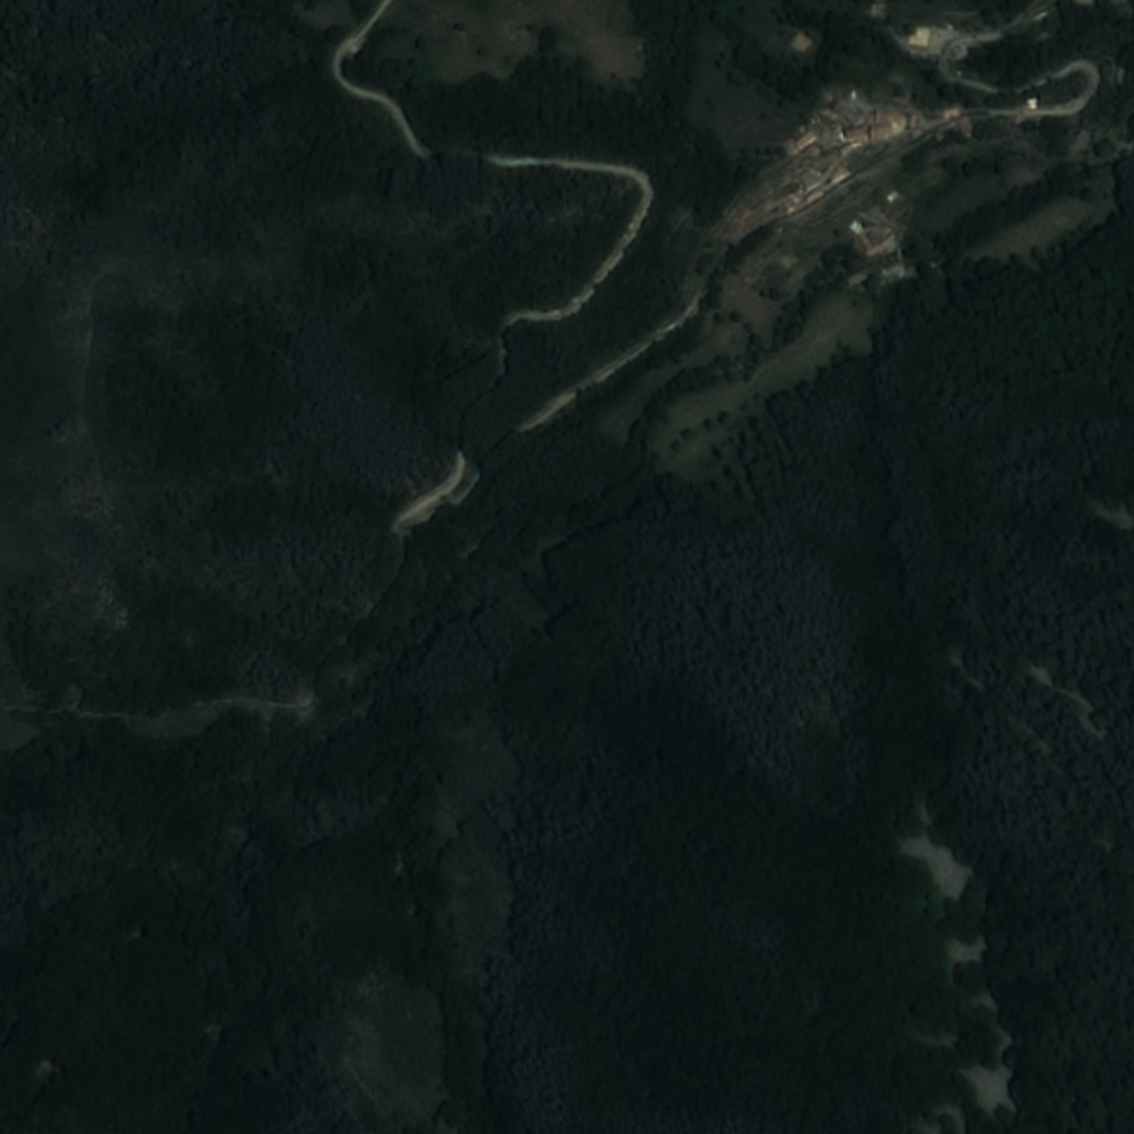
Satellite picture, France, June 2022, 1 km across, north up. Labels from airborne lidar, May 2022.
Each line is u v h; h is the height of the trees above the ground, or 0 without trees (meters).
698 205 10
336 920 18
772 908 22
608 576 18
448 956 15
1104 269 17
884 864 16
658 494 8
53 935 13
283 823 12
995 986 18
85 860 7
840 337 0
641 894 22
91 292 0
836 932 25
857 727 21
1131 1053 11
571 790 13
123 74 14
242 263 0
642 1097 21
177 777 23
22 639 9
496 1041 17
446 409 25
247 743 16
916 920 18
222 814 5
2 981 16
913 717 22
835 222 0
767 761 19
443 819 0
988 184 0
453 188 26
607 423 0
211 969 17
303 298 9
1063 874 7
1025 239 0
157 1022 20
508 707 13
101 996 22
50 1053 25
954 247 12
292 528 11
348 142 7
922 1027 13
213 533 9
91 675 8
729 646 10
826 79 16
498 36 0
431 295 24
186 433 16
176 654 13
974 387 15
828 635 12
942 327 18
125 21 33
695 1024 24
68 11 30
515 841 16
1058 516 13
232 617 13
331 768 22
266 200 7
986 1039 16
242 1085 25
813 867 26
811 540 18
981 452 16
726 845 23
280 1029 18
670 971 22
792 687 15
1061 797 8
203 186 9
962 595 7
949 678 7
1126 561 9
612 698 24
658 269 12
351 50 0
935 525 22
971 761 11
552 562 20
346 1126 10
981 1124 17
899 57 6
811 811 19
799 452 16
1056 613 10
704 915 20
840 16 20
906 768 22
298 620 11
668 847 25
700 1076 26
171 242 11
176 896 16
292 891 20
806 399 14
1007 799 8
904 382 24
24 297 0
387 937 28
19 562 0
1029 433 11
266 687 13
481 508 16
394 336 16
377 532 15
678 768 29
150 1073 21
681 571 17
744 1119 20
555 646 17
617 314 15
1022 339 14
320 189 6
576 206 15
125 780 23
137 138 22
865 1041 24
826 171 5
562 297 11
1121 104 10
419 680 30
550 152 17
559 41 10
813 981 19
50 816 8
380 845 11
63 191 10
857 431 22
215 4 16
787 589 17
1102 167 11
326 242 10
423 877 22
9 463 0
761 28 0
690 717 27
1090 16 23
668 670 24
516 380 21
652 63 10
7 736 0
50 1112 21
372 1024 0
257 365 15
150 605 13
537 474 26
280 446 12
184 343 8
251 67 37
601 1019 24
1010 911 16
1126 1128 11
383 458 15
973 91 10
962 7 0
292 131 13
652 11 17
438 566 17
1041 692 8
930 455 19
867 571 18
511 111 24
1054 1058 10
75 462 0
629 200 8
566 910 20
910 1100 20
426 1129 10
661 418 15
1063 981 12
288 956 18
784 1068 24
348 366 20
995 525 14
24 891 9
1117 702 8
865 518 21
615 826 20
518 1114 17
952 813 13
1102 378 19
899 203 0
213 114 17
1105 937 6
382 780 19
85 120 17
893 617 18
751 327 16
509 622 27
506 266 16
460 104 20
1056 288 16
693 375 16
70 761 14
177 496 12
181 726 0
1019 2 16
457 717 16
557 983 21
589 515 16
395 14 0
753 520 17
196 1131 24
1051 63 15
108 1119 17
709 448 0
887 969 28
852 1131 18
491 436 32
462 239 9
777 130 0
